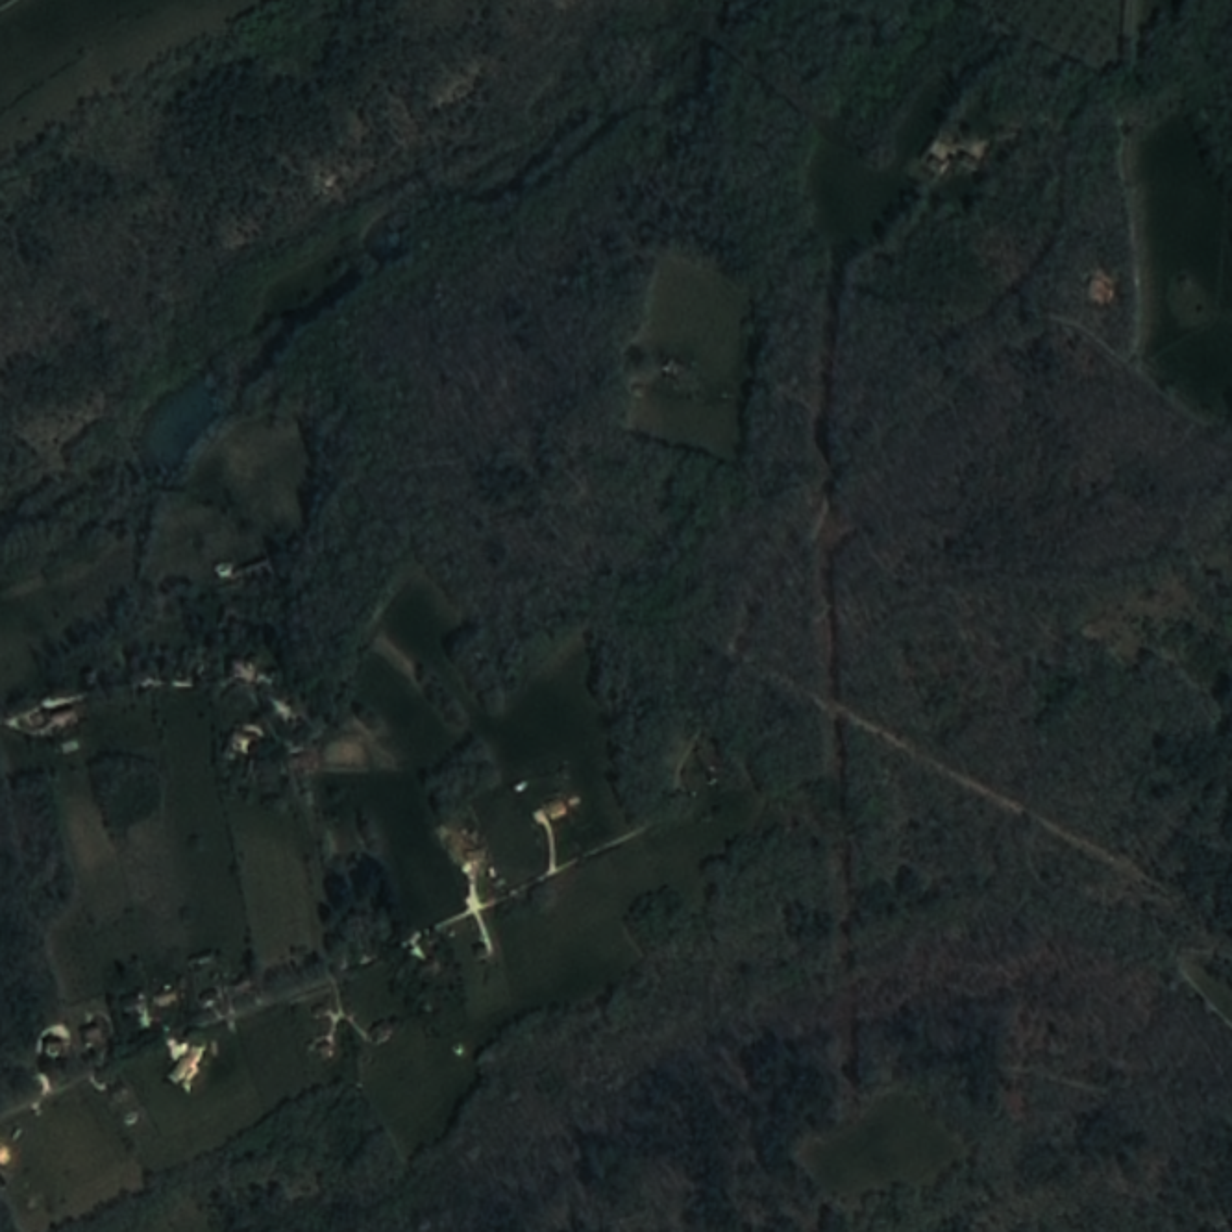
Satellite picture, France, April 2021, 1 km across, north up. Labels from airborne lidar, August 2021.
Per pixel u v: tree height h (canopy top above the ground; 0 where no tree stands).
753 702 18
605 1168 23
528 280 16
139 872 0
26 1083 17
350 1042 6
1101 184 21
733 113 24
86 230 16
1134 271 21
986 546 9
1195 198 0
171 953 0
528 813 0
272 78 12
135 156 14
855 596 15
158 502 19
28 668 0
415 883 0
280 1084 0
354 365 21
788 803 6
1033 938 11
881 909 22
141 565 10
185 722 0
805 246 20
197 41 9
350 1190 13
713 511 23
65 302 19
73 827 0
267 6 13
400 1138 0
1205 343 0
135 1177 0
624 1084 17
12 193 18
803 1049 13
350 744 0
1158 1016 9
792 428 17
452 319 18
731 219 22
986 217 8
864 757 18
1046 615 20
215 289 18
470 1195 18
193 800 0
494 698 16
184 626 10
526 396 18
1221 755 23
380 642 0
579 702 0
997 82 14
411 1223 16
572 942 0
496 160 11
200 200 12
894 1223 6
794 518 22
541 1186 10
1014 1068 9
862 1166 0
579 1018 13
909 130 0
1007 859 16
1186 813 16
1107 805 21
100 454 20
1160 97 23
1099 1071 7
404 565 14
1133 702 22
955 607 15
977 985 6
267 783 15
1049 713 11
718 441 0
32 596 0
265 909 0
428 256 23
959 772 20
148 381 17
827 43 29
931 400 16
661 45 12
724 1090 15
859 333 22
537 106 12
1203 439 11
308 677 17
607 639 19
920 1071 18
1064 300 18
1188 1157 16
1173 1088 12
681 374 16
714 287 0
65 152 17
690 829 0
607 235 14
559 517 19
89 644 22
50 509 6
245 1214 10
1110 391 11
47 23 0
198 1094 0
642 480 22
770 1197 18
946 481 11
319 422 12
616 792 20
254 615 8
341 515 19
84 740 0
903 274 8
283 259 17
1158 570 20
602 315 24
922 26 22
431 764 0
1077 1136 12
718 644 19
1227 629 20
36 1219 0
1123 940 23
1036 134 9
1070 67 17
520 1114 17
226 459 0
